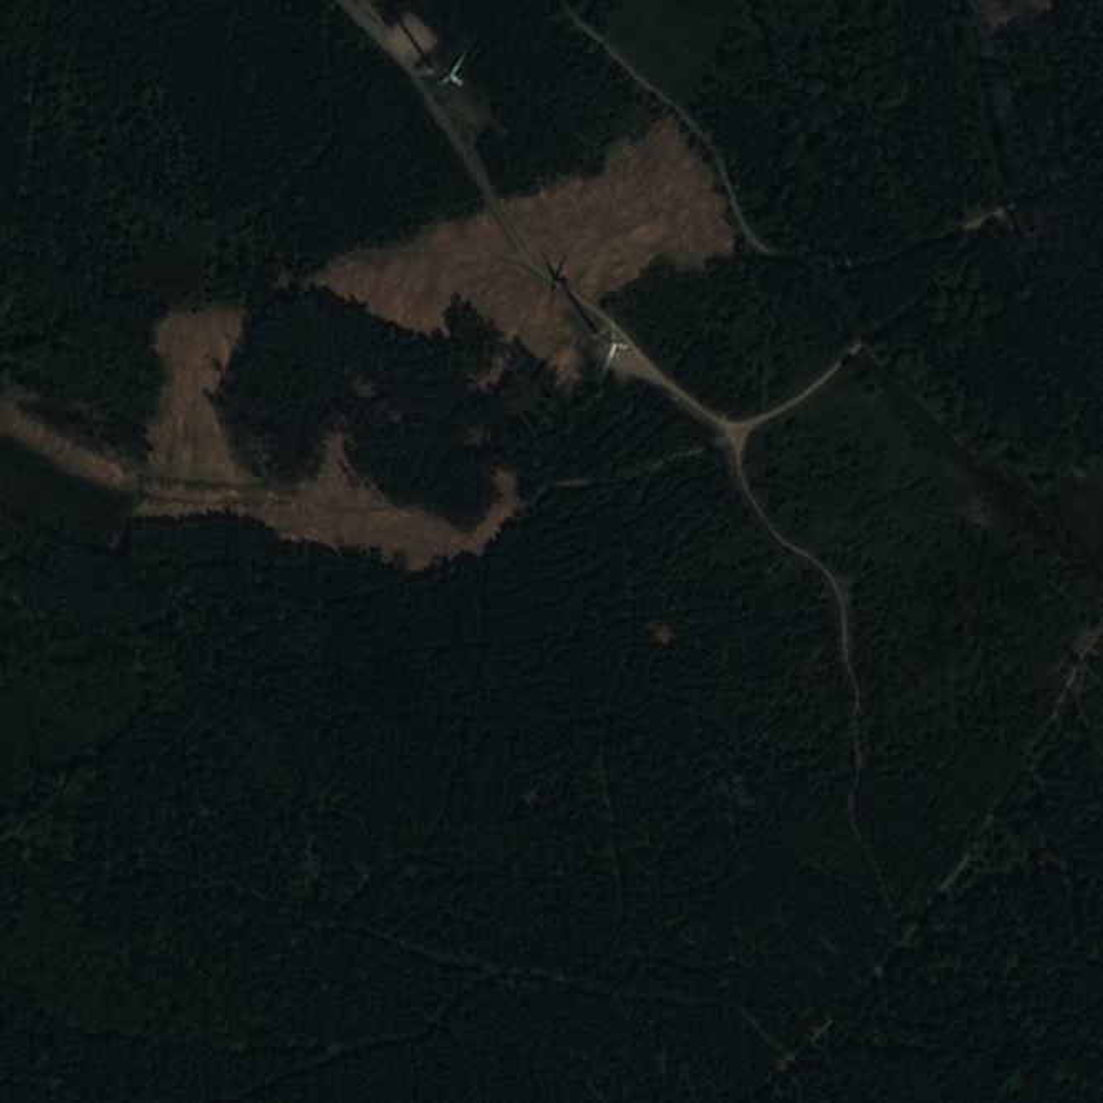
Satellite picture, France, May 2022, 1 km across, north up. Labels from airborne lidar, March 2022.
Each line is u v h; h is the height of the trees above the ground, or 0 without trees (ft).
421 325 0
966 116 52
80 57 42
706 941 43
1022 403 80
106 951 46
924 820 22
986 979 93
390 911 43
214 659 37
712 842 43
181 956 59
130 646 32
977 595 22
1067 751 52
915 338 79
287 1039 40
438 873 40
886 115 78
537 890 57
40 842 51
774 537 0
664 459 23
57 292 57
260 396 82
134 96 30
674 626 33
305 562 39
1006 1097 90
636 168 0
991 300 85
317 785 46
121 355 69
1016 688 26
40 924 48
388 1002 52
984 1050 89
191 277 0
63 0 29
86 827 63
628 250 0
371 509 0
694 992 66
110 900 62
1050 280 90
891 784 23
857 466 29
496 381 0
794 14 79
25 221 37
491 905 78
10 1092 67
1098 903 80
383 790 53
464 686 57
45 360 71
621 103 29
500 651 54
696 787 42
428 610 54
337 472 0
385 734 45
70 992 53
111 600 67
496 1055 56
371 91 31
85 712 67
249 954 45
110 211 25
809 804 30
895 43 61
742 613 36
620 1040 47
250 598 62
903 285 57
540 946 63
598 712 48
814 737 22
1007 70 84
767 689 26
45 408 0
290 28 47
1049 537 29
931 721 22
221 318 0
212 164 36
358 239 33
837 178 83
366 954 53
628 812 43
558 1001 47
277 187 39
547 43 41
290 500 0
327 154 38
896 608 20
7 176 57
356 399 90
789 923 38
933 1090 90
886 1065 85
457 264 0
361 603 54
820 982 52
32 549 24
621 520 24
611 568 36
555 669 50
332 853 44
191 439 0
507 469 78
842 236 96
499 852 63
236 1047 47
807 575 22
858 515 18
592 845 43
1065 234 93
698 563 21
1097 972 77
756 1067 42
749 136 50
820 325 35
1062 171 57
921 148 74
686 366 33
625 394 29
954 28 39
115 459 0
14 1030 66
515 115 31
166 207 27
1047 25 86
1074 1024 83
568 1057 49
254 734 64
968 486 0
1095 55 78
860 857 32
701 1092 24
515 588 37
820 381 0
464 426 80
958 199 70
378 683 64
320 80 46
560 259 0
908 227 72
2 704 38
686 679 35
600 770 33
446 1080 42
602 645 63
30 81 38
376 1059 53
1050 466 78
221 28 47
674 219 0
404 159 34
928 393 67
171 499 0
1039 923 74
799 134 84
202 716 52
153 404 60
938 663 27
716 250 0
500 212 0
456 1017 67
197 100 44
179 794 61
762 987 48
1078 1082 81
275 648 52
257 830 65
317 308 99
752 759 29
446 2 33
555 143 31
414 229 24
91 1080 80
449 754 50
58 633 21
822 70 74
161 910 65
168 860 64
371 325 74
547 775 64
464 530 94
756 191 51
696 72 0
